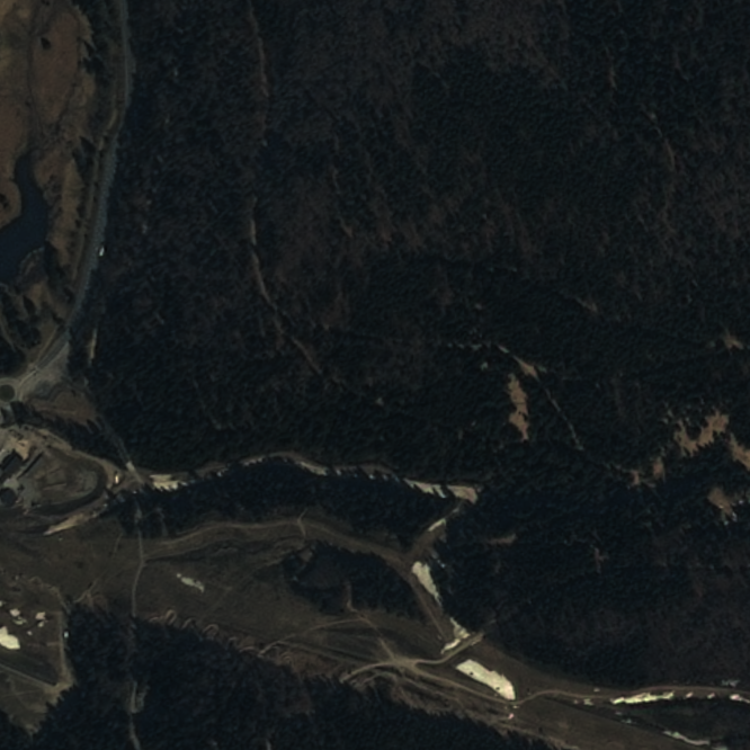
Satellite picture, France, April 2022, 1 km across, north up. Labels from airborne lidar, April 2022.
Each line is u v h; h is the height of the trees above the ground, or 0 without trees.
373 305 20
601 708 0
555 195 23
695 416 13
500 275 22
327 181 12
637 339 22
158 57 29
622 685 14
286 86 22
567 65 15
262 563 0
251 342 9
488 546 11
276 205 26
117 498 0
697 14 15
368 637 0
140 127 22
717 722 6
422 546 0
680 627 13
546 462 18
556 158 22
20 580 0
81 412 0
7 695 0
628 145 21
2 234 0
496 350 16
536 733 0
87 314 16
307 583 13
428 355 17
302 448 7
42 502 0
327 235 11
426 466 8
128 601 0
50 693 0
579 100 22
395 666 0
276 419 30
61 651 0
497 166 21
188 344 30
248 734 14
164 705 17
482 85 23
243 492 12
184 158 30
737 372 16
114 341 16
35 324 10
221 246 30
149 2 13
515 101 21
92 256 0
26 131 0
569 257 17
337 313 13
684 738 0
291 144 12
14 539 0
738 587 13
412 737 24
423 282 20
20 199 0
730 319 22
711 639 22
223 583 0
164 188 28
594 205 23
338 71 23
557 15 23
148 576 0
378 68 18
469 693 0
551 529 18
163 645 16
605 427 19
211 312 26
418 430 23
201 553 0
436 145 13
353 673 0
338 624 0
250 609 0
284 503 16
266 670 15
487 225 13
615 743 0
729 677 6
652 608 20
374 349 15
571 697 0
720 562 16
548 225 11
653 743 0
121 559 0
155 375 34
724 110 23
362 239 19
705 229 13
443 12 20
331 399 14
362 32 19
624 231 16
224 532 0
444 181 22
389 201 7
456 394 23
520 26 22
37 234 0
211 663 24
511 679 0
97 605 0
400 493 12
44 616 0
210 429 29
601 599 19
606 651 18
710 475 22
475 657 0
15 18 0
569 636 22
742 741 12
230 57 26
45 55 0
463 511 0
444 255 12
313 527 0
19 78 0
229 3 29
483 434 11
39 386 0
